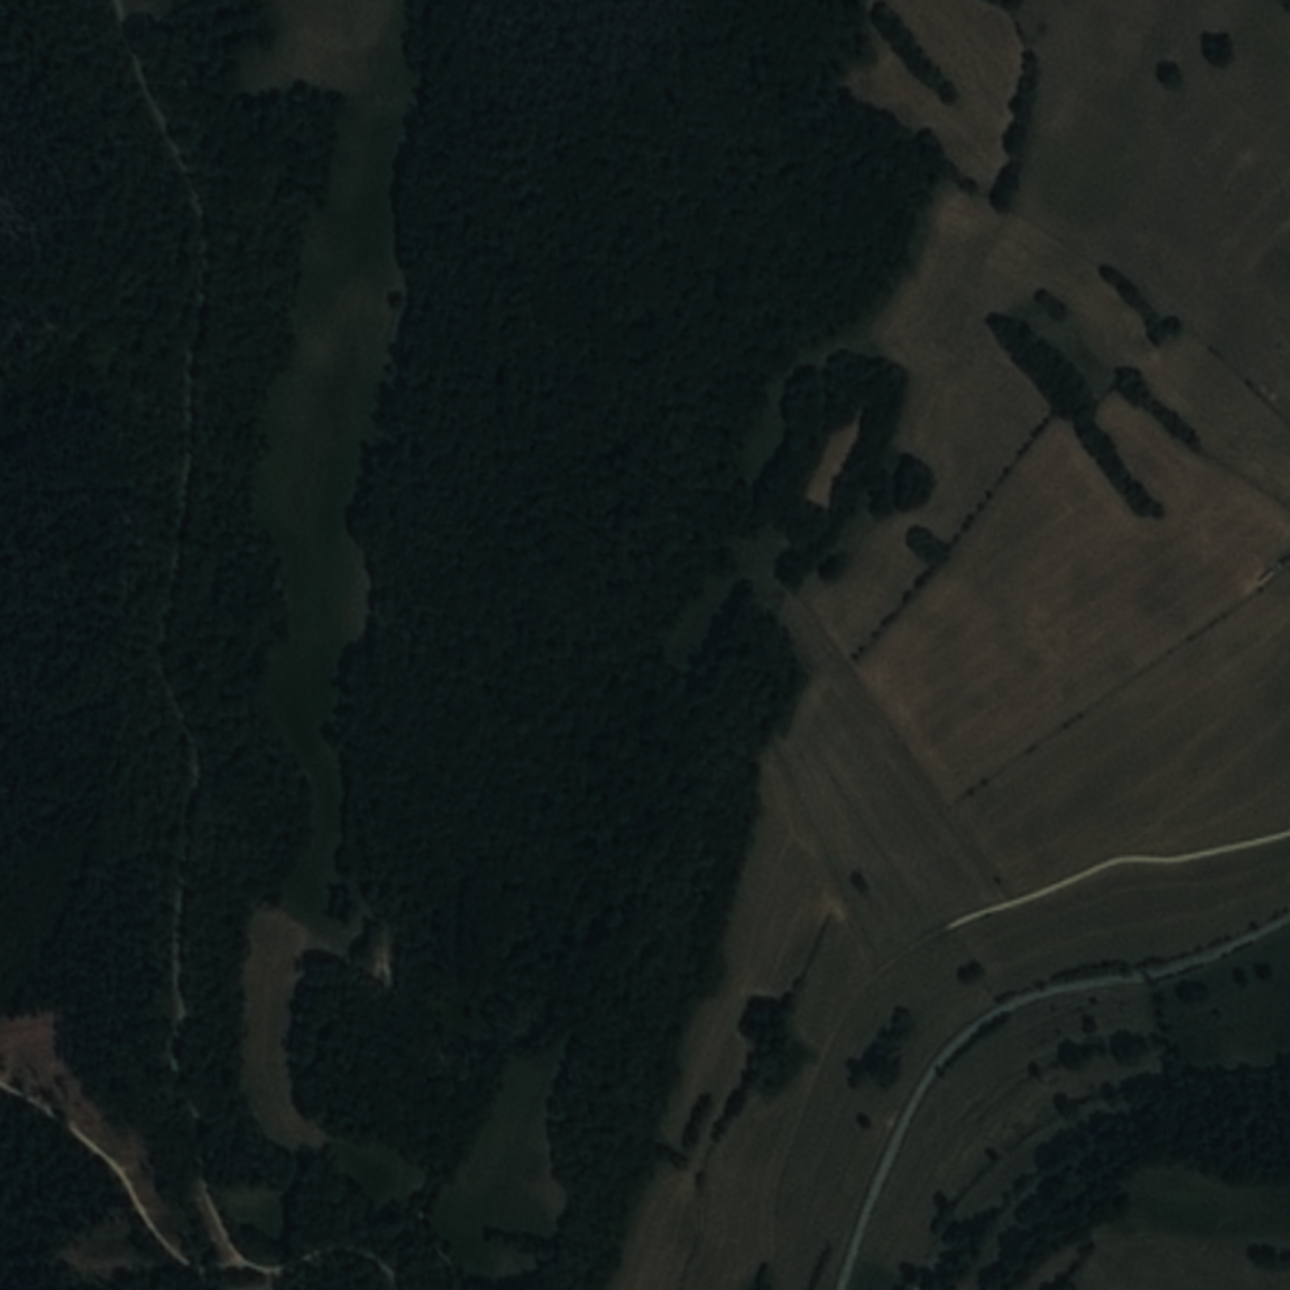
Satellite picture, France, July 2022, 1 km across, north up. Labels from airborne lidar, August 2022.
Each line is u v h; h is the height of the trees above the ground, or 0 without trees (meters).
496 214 15
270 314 17
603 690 17
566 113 17
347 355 0
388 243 0
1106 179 0
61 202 15
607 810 22
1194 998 17
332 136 15
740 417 23
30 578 15
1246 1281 0
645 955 16
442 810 14
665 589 21
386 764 18
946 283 0
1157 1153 22
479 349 18
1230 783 0
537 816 15
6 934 10
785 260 18
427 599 20
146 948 19
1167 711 0
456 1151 18
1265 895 0
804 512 12
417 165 18
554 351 20
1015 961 0
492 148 21
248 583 16
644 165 20
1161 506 6
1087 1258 8
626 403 19
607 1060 13
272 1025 0
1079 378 11
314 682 0
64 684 15
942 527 0
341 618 0
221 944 18
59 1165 18
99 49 13
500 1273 0
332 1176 24
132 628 14
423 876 16
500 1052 21
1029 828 0
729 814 22
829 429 11
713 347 19
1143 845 0
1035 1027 0
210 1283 9
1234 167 0
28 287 17
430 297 13
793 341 22
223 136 21
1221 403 0
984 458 0
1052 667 0
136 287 19
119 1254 0
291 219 16
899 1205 0
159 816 16
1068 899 0
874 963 0
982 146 0
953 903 0
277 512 0
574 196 17
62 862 10
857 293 22
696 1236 0
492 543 18
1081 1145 18
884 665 0
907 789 0
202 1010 17
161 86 15
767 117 18
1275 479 0
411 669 17
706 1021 0
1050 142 0
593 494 22
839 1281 0
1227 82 0
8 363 18
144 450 14
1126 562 0
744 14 18
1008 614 0
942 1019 0
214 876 19
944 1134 0
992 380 0
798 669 13
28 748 19
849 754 0
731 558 20
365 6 0
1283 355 0
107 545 18
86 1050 22
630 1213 12
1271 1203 0
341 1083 17
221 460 20
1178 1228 0
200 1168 14
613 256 18
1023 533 0
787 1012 10
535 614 22
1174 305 0
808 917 0
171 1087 14
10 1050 0
